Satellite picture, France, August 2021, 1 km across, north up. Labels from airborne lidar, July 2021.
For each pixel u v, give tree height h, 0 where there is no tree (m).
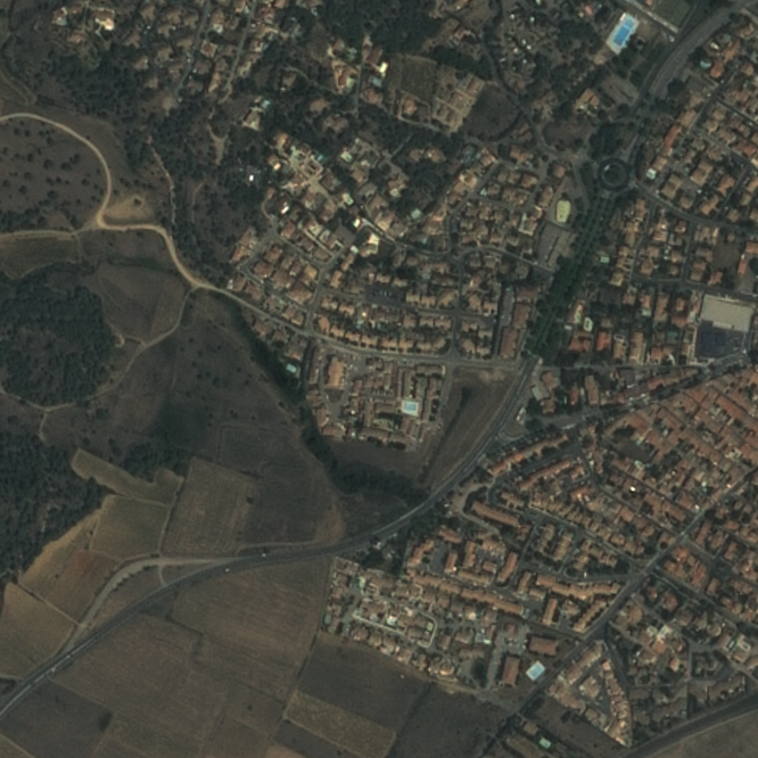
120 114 11
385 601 0
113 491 6
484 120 0
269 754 0
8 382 6
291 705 0
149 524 0
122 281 0
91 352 9
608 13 15
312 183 0
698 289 0
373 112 7
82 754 0
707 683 0
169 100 0
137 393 0
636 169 10
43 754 0
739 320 0
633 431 8
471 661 0
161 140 10
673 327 7
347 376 0
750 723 0
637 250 0
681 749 0
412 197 11
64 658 0
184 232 11
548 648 0
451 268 6
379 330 6
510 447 7
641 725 6
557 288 11
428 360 0
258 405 0
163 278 0
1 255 0
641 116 8
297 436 0
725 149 0
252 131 7
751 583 0
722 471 5
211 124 9
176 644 0
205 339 0
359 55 7
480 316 0
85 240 0
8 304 9
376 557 14
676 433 0
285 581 0
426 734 0
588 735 0
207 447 0
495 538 8
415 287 8
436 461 0
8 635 0
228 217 0
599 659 0
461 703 0
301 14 12
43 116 0
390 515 0
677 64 0
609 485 7
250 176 0
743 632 11
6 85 0
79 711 0
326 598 0
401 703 0
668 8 0
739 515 9
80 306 7
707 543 6
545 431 8
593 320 7
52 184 13
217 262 9
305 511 0
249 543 0
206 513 0
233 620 0
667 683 9
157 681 0
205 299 0
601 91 14
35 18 0
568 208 0
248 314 0
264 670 0
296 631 0
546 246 0
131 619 0
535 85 10
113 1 6
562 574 0
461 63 11
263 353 9
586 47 11
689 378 8
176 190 8
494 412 0
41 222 11
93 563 0
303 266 6
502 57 6
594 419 7
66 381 9
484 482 7
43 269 6
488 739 7
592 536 0
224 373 0
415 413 0
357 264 8
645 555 9
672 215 6
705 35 0
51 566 0
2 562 12
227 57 7
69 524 11
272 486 0
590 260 9
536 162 8
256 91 6
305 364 9
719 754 0
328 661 0
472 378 0
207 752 0
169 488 0
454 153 15
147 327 0
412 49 15
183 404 0
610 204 10
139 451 9
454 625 0
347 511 0
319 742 0
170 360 0
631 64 14
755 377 0
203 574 0
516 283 9
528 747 0
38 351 0
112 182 0
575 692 0
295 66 10
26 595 0
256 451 0
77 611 0
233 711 0
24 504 14
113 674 0
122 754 0
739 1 0
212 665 0
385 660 0
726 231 8
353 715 0
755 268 10
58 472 11
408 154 10
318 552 0
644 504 6
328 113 9
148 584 0
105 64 11
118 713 0
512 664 0
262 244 0
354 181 12
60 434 0
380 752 0
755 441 0
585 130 0
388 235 0
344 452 0
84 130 0
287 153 8
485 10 0
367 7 13
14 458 14
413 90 0
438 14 0
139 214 0
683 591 12
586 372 10
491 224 9
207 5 0
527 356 13
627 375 0
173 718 0
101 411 8
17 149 0
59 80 8
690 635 9
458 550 8
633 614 0
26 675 0
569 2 9
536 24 7
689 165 7
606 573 10
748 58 9
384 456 0
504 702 0
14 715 0
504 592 0
